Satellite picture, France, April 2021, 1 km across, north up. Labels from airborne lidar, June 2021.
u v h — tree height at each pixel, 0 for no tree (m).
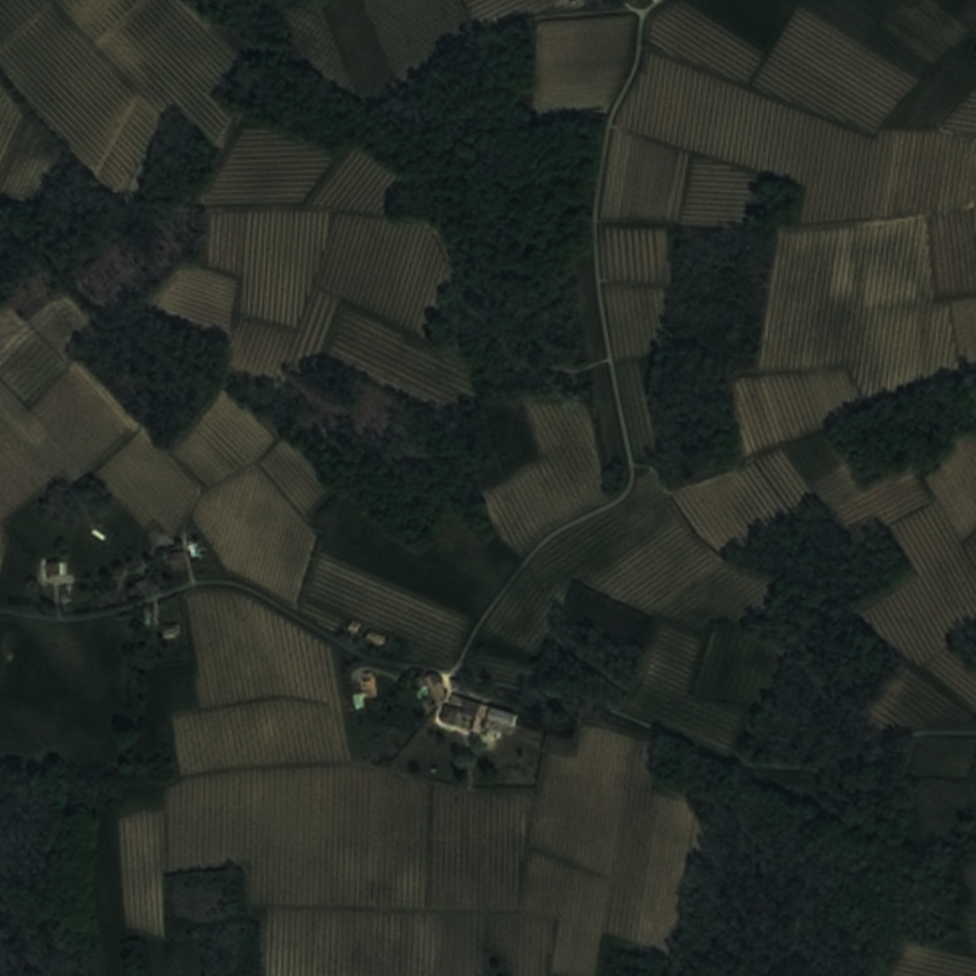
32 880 22
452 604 0
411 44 0
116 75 0
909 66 0
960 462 0
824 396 0
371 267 0
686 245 11
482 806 0
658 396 18
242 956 7
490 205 21
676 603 0
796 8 0
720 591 0
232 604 0
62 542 10
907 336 0
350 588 0
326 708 0
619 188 0
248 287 0
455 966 0
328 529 0
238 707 0
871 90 0
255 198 0
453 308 16
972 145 0
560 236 21
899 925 21
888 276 0
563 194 24
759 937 16
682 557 0
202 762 0
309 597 0
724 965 17
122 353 18
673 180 0
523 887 0
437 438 21
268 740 0
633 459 0
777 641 16
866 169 0
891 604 0
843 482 0
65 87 0
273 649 0
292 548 0
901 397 12
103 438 0
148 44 0
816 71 0
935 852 20
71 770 7
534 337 18
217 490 0
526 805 0
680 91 0
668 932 0
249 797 0
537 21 10
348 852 0
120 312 20
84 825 22
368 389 13
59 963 16
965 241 0
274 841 0
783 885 22
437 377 0
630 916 0
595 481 0
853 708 18
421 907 0
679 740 16
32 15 0
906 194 0
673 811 0
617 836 0
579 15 0
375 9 0
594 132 18
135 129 0
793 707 16
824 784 14
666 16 0
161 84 0
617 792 0
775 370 0
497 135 23
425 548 18
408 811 0
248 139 0
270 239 0
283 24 18
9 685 0
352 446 27
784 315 0
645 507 0
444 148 21
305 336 0
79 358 13
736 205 0
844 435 20
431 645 0
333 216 0
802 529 20
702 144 0
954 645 16
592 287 0
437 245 0
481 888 0
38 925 21
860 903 18
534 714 12
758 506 0
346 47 0
